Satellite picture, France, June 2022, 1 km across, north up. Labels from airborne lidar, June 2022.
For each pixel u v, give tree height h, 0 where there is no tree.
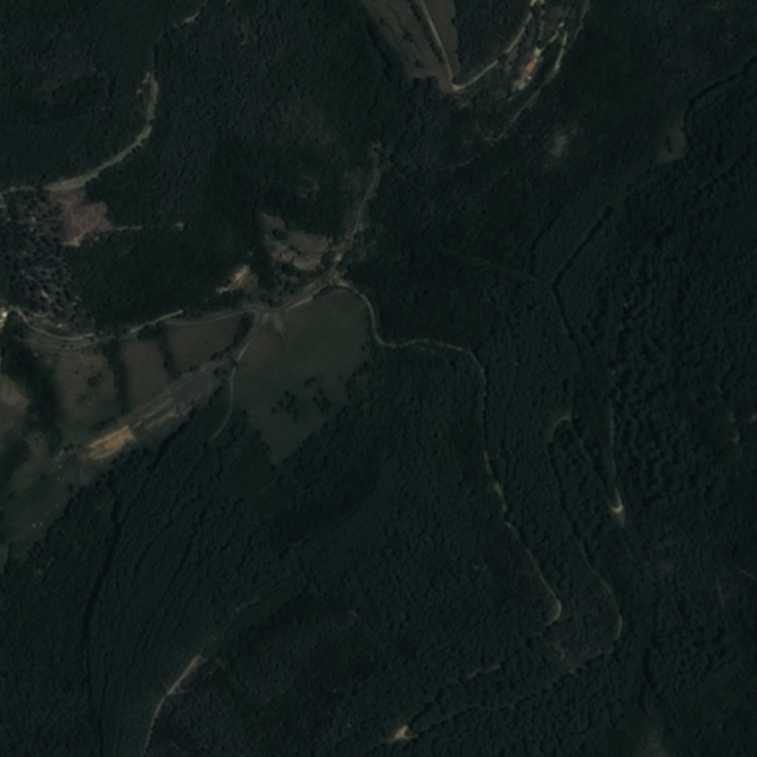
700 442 19
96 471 0
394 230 13
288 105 16
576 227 30
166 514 25
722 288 23
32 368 15
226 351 8
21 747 22
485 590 22
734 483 17
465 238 18
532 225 19
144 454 13
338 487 9
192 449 29
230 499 16
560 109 15
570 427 9
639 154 13
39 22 14
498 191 16
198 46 23
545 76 11
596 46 15
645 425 14
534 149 10
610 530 26
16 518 0
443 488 31
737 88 22
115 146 11
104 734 15
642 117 17
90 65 20
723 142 19
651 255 6
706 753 15
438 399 21
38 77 11
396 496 15
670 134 11
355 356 0
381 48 21
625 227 23
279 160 7
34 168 31
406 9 0
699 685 36
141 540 25
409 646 18
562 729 27
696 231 23
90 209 0
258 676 21
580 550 26
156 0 12
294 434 0
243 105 19
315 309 0
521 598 16
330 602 21
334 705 18
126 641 17
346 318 0
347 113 12
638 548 7
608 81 19
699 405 11
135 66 22
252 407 0
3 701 16
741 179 23
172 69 24
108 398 0
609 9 13
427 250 25
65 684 7
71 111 20
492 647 37
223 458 19
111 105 25
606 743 24
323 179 10
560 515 31
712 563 10
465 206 18
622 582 21
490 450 25
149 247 14
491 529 22
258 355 0
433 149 21
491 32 17
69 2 16
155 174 13
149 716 7
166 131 13
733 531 7
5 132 30
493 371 31
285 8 18
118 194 13
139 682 16
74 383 0
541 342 32
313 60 17
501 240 19
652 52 23
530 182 14
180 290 13
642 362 7
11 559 13
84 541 6
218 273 9
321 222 10
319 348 0
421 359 6
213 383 0
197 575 17
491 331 10
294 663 17
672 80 6
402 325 19
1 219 11
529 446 30
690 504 19
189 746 19
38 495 0
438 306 13
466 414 22
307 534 9
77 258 15
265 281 17
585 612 14
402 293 11
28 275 17
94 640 25
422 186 10
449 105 8
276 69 12
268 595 15
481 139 13
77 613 8
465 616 23
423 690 26
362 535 15
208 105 23
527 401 35
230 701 12
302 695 21
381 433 6
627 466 7
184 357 0
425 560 16
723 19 10
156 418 0
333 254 12
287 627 23
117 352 6
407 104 11
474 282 20
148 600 18
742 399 19
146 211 8
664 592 11
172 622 16
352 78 10
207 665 7
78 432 0
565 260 34
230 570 18
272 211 11
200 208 13
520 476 33
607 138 17
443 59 7
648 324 33
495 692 10
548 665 31
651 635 14
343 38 18
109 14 27
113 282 21
